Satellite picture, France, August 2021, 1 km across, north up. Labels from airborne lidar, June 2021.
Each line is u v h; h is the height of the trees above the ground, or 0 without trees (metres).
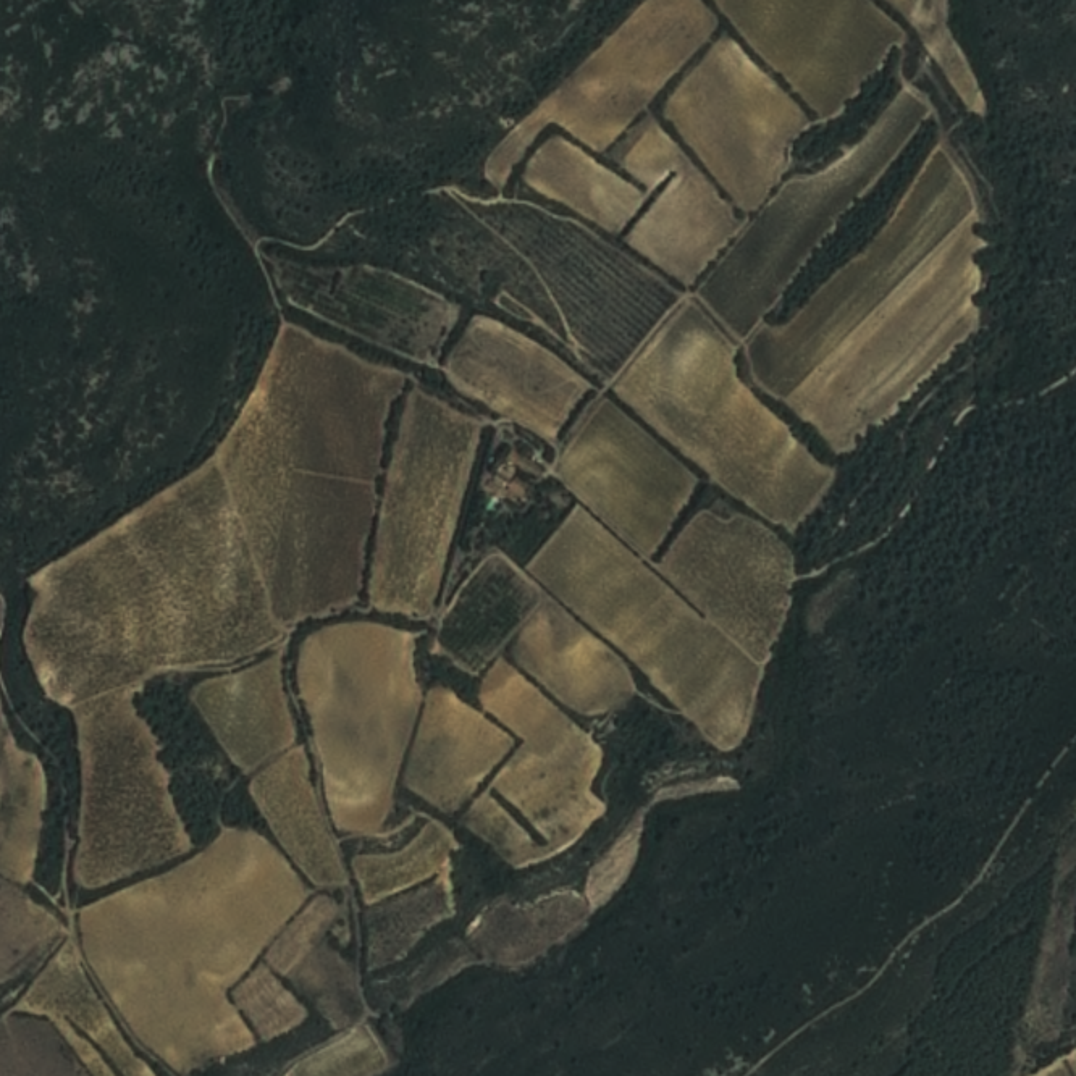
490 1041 0
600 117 0
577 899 0
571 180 0
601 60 0
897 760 0
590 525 0
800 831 0
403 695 0
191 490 0
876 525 8
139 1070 0
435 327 0
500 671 0
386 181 9
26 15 0
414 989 0
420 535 0
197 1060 0
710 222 0
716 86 0
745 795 8
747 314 0
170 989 0
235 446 0
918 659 0
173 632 0
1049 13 6
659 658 0
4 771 0
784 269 0
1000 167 9
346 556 0
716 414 0
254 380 9
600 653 0
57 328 0
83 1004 0
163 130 0
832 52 0
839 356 0
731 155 0
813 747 0
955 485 8
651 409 0
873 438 11
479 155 11
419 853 0
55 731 9
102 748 0
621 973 0
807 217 0
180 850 0
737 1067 0
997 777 10
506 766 0
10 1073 0
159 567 0
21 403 0
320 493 0
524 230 0
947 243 0
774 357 0
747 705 0
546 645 0
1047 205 8
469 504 6
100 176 8
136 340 0
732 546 0
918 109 0
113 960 0
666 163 0
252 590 0
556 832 0
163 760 11
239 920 0
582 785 0
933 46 0
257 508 0
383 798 0
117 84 0
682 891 0
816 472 0
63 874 0
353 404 0
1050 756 0
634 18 0
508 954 0
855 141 6
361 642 0
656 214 0
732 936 0
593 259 0
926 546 10
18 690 0
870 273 0
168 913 0
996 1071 13
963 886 0
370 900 0
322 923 0
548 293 0
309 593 0
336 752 0
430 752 0
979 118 11
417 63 0
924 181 0
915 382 0
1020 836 0
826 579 7
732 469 0
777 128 0
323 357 0
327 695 0
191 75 7
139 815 0
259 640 0
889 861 0
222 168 9
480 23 0
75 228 0
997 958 14
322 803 0
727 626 0
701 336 0
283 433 0
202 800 7
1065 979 0
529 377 0
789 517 0
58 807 9
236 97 0
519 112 5
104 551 0
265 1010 0
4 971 0
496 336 0
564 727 0
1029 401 10
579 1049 0
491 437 11
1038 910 12
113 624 0
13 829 0
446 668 10
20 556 8
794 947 0
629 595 0
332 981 0
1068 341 6
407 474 0
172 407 0
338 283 8
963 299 0
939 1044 11
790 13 0
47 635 0
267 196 0
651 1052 0
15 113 0
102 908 0
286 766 0
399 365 11
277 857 0
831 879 0
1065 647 7
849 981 0
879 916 0
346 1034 0
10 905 0
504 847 0
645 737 8
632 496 0
